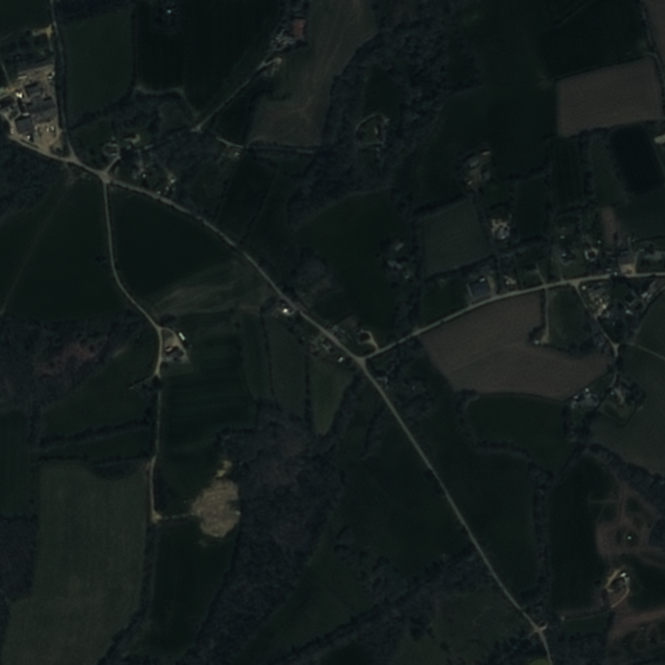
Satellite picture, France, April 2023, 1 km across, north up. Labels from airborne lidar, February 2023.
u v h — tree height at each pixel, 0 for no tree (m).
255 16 0
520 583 0
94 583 0
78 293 0
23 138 0
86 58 0
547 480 12
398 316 8
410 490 0
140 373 0
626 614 0
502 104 0
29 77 0
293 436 14
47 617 0
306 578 0
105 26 0
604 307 0
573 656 19
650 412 0
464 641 0
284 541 13
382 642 19
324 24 0
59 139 0
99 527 0
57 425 0
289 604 0
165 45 0
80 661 0
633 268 0
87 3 15
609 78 0
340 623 0
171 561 0
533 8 0
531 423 0
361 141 12
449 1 9
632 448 0
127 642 14
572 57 0
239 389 0
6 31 0
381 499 0
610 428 0
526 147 0
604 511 0
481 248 0
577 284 0
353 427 0
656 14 0
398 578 10
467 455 0
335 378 0
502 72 0
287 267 0
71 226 0
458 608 0
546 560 8
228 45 0
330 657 0
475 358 0
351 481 0
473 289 0
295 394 0
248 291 0
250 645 0
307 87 0
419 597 13
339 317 0
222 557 0
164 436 0
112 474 0
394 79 10
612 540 0
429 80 9
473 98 0
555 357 0
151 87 0
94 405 0
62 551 0
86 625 0
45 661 0
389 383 7
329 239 0
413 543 0
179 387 0
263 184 0
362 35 0
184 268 0
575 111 0
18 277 0
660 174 0
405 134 14
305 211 16
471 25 0
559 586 0
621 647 0
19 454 0
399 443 0
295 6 13
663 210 0
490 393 0
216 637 14
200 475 0
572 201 0
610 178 0
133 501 0
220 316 0
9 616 13
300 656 14
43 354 0
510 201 6
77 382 14
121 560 0
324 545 0
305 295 12
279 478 10
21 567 11
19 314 0
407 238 0
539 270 0
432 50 8
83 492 0
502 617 0
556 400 0
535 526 6
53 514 0
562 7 0
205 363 0
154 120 16
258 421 11
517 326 0
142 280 0
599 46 0
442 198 0
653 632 0
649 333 0
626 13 0
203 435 0
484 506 0
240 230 0
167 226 0
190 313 0
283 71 0
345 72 9
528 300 0
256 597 16
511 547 0
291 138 0
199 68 0
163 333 0
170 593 0
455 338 0
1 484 0
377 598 10
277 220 0
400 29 11
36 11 0
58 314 0
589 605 0
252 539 10
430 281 5
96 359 12
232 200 0
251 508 14
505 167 0
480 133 0
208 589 0
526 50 0
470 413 0
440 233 0
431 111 16
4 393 13
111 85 0
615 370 17
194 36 0
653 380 0
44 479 0
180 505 0
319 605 0
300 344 13
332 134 19
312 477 9
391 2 0
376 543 0
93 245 0
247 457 10
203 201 0
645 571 0
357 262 0
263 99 6
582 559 0
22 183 17
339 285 12
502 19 0
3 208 15
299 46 9
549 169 9
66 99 12
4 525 14
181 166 17
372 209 0
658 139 0
